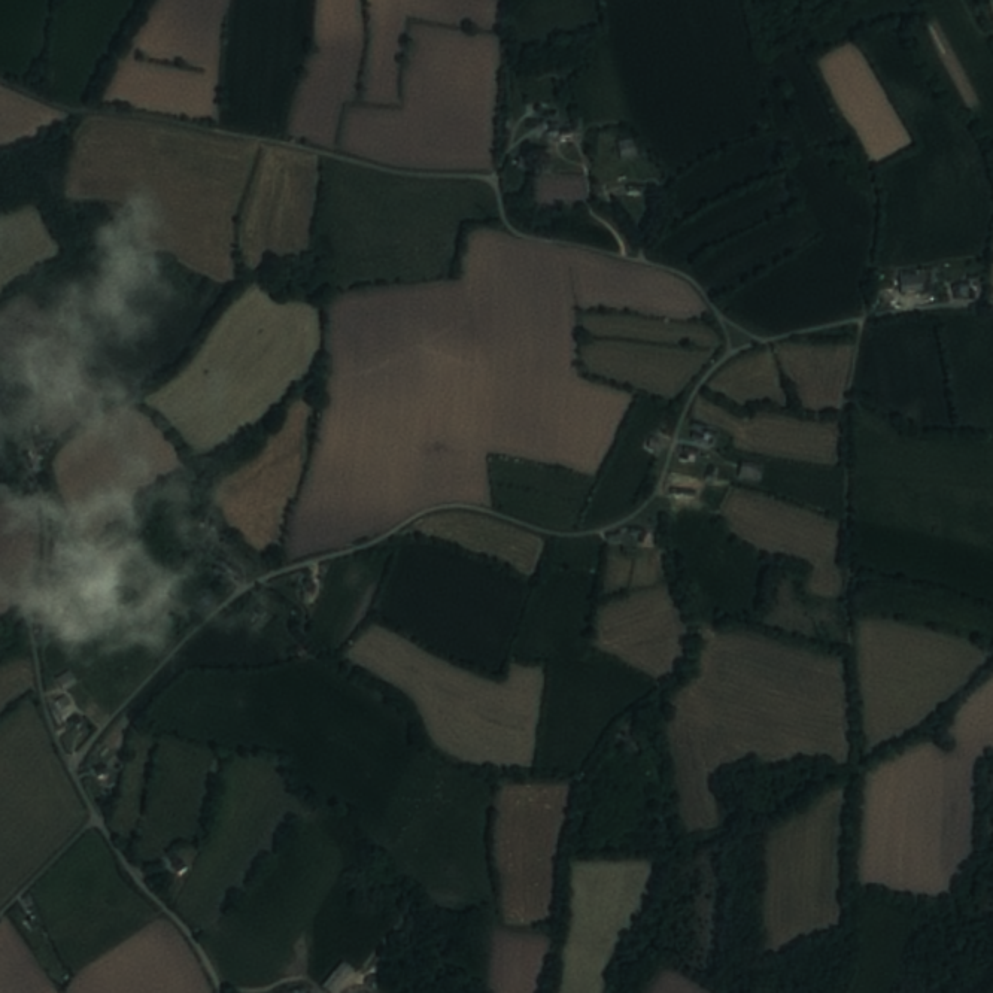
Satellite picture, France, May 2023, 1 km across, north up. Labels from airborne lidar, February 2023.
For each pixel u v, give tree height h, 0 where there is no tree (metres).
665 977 0
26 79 8
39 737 0
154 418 12
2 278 0
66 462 0
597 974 0
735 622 9
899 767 0
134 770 0
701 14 0
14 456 13
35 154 15
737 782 11
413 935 14
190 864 0
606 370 0
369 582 0
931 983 8
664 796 8
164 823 0
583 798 13
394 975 17
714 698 0
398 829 0
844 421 7
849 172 7
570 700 0
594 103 0
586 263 0
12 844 0
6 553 0
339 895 0
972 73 0
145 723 16
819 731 0
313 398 19
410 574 0
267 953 0
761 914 7
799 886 0
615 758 9
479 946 19
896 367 0
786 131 0
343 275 0
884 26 15
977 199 0
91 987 0
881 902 9
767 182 12
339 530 0
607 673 0
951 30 0
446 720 0
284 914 0
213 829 18
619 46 0
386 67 0
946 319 0
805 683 0
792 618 0
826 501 0
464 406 0
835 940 14
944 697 0
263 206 0
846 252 0
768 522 0
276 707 0
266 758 15
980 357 0
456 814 0
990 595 0
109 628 0
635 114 0
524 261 0
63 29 0
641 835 12
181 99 0
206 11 0
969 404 0
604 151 0
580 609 0
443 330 0
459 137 0
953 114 6
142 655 0
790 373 0
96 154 0
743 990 16
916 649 0
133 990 0
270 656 0
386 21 0
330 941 0
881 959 0
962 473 0
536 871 0
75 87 0
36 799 0
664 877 19
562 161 0
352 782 0
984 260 8
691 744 0
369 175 0
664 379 0
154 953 0
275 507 0
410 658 0
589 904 0
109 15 0
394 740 0
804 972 14
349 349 0
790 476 0
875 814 0
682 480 0
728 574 0
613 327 0
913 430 14
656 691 6
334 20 0
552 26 0
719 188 0
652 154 8
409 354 0
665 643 0
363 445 0
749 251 0
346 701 0
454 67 0
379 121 0
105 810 18
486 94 0
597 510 0
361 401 0
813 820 0
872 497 0
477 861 0
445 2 0
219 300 11
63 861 0
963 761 0
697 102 0
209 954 0
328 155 0
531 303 0
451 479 0
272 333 0
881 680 0
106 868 0
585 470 0
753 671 0
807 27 9
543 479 0
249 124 0
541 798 0
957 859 0
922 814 0
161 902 10
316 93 0
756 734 0
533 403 0
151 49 0
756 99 0
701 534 0
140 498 12
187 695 0
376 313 0
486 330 0
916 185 0
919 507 0
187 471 18
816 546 0
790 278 0
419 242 0
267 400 0
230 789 0
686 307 0
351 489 0
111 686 0
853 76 0
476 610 0
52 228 12
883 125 0
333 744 0
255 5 0
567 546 0
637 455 0
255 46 0
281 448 0
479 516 0
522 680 0
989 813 7
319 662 9
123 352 0
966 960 13
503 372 0
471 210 0
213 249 0
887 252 0
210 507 14
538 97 0
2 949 0
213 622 0
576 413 0
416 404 0
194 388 0
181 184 0
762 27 9
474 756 0
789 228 0
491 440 0
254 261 0
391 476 0
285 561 5
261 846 0
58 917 0
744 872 20
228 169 0
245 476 0
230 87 0
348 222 0
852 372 0
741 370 0
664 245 0
